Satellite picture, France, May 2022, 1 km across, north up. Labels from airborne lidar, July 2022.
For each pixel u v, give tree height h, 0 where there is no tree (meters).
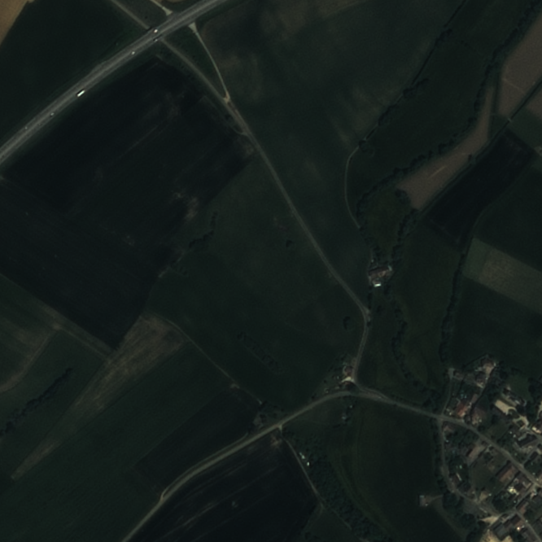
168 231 0
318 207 0
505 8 0
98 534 0
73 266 0
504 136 0
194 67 0
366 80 0
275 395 0
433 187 0
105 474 0
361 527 18
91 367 0
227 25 0
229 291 0
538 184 0
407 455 0
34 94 0
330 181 0
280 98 0
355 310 0
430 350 0
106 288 0
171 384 0
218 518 0
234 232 0
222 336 0
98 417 0
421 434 0
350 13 0
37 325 0
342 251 0
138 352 0
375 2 0
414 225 12
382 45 0
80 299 0
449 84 0
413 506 0
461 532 0
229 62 0
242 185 0
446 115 0
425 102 0
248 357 0
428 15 0
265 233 0
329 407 0
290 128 0
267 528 0
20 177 0
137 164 0
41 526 0
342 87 0
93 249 0
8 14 0
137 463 0
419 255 0
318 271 0
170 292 0
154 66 0
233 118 14
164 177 0
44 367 0
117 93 0
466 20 0
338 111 0
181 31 0
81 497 0
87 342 0
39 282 0
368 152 12
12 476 0
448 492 15
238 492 0
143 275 0
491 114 0
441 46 12
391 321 0
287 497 0
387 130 0
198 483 0
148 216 0
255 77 0
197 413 0
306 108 0
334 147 0
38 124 0
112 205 0
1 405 0
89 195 0
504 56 15
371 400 0
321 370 0
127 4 0
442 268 0
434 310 0
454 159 0
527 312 0
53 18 0
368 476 0
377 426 0
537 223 0
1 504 0
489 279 0
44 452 0
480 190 0
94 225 0
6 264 0
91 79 0
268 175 0
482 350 0
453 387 0
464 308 0
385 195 0
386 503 0
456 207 0
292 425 0
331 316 0
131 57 0
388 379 0
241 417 0
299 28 0
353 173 0
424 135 0
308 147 0
